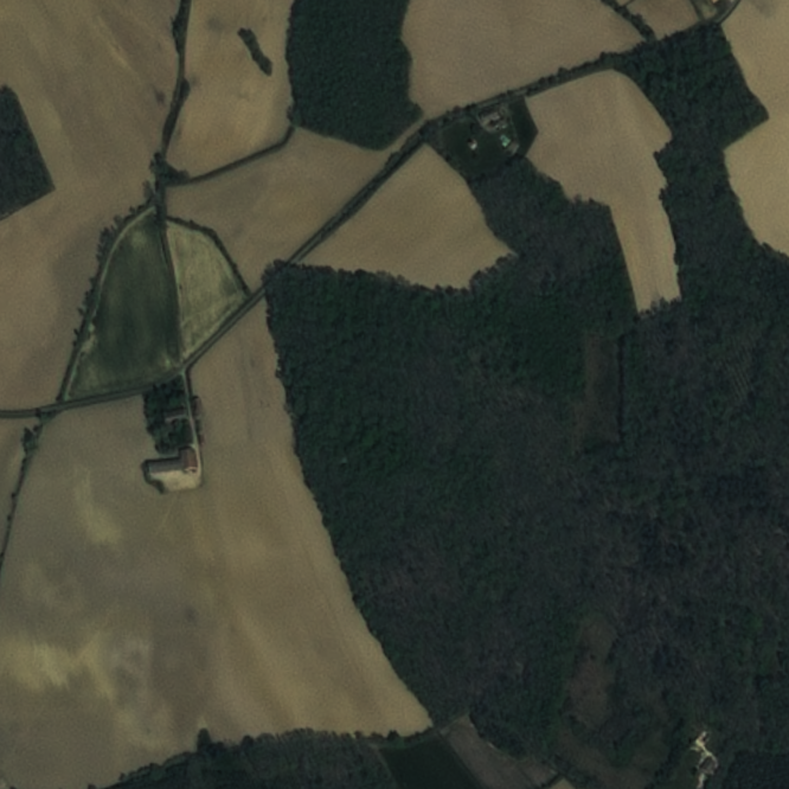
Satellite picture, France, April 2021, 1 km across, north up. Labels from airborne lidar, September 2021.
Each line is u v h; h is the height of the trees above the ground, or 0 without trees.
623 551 13
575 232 16
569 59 0
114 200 0
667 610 11
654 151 0
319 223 0
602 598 16
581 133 0
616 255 15
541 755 23
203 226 6
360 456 17
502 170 11
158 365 0
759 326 21
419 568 15
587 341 13
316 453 22
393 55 20
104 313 0
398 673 13
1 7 0
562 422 20
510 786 0
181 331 0
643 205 0
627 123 0
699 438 20
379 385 21
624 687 11
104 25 0
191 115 0
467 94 0
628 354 20
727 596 22
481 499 20
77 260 0
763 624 18
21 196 20
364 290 18
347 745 15
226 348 0
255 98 0
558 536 18
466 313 21
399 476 24
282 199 0
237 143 0
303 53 21
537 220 16
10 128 24
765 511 9
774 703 20
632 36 0
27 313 0
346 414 27
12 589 0
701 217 18
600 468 12
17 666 0
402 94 18
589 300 18
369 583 6
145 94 0
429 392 18
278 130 0
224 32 0
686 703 19
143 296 0
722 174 19
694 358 17
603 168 0
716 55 20
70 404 0
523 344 17
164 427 10
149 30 0
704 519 19
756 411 25
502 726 20
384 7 18
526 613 18
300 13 20
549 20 0
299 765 8
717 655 18
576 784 11
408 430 20
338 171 0
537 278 18
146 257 0
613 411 0
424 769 0
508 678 13
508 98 11
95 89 0
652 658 10
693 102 8
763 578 16
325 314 22
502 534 16
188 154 0
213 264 0
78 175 0
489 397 21
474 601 16
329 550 0
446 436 18
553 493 14
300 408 25
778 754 16
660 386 15
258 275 0
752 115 17
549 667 18
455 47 0
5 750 0
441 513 18
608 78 0
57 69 0
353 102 19
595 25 0
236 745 13
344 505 22
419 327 21
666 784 7
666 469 18
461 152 0
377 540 20
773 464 16
